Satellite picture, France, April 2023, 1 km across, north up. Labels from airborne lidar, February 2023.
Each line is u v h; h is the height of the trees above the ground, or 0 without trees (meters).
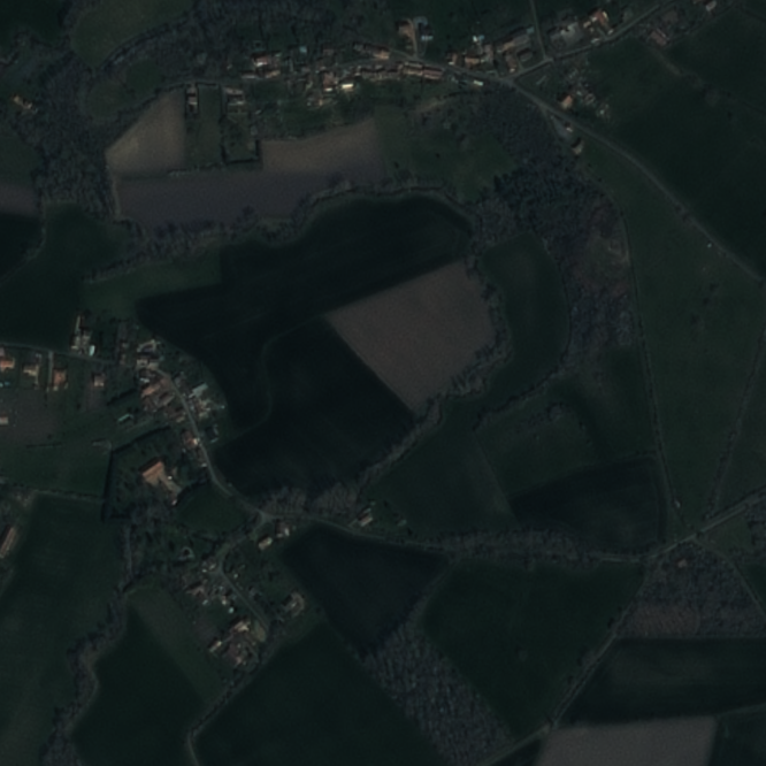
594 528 0
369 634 0
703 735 0
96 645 17
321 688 0
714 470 0
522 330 0
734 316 0
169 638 0
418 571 0
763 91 0
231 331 0
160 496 13
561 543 10
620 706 0
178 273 0
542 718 0
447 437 0
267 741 0
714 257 0
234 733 0
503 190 21
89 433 0
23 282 0
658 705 0
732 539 0
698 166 0
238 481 0
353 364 0
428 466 0
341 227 0
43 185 20
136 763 0
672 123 0
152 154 0
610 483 0
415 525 0
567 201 16
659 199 0
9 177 0
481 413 0
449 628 0
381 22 0
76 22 16
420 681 19
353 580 0
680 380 0
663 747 0
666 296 0
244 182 0
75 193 29
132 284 0
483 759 9
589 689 0
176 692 0
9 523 13
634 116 0
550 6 0
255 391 0
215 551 10
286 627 7
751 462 0
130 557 34
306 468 0
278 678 0
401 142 0
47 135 20
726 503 0
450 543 14
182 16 0
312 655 0
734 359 0
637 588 0
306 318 0
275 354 0
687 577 18
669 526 0
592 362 0
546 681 0
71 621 0
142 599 0
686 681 0
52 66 0
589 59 0
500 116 8
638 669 0
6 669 0
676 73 0
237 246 0
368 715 0
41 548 0
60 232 0
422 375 0
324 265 0
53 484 0
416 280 0
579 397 0
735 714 0
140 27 0
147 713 0
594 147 0
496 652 0
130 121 14
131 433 0
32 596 0
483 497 0
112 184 27
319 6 10
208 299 0
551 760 0
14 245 0
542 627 0
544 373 0
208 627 0
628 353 0
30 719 0
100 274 7
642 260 0
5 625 0
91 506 0
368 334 0
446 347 0
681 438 0
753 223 0
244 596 0
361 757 0
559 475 0
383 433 0
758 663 0
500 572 0
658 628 15
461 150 11
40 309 0
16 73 0
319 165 0
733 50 0
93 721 0
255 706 0
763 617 5
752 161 0
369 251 0
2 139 0
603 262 0
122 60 5
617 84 0
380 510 0
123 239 0
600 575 0
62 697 0
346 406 0
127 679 0
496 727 9
